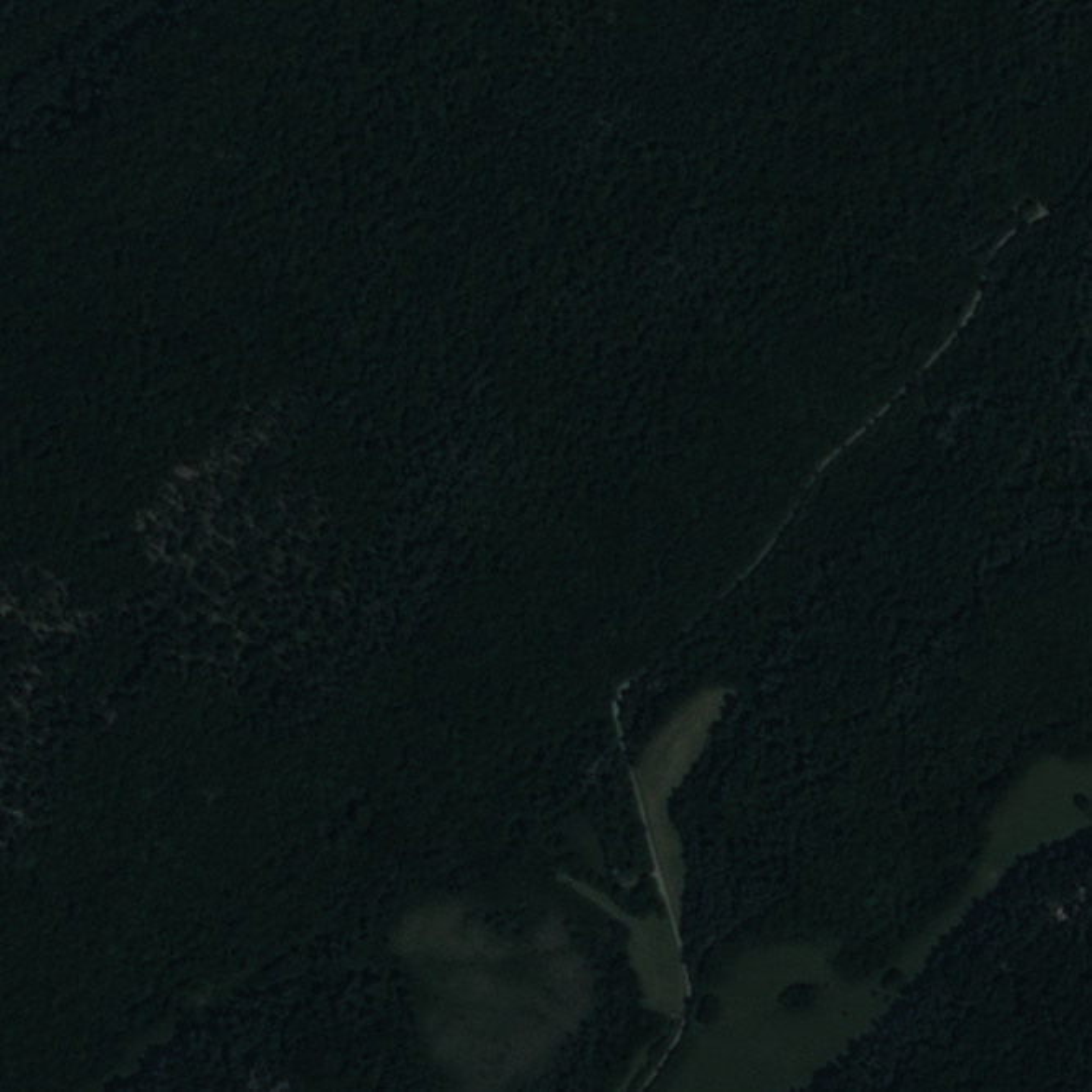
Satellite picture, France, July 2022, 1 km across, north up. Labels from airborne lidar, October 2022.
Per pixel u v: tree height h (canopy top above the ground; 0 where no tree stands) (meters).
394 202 21
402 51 20
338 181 8
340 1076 15
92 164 19
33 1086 19
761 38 14
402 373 15
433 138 21
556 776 27
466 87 21
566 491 16
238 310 20
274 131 15
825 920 11
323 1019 22
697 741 0
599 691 16
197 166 10
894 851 19
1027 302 16
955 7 16
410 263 22
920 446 16
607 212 11
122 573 19
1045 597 15
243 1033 19
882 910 12
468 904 0
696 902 19
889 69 19
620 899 15
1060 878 34
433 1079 7
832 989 0
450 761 16
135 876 16
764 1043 0
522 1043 0
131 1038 17
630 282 23
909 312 17
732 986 0
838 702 21
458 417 17
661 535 19
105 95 30
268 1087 18
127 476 22
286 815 14
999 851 0
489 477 12
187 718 18
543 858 8
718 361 22
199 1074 23
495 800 19
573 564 17
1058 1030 30
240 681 24
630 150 19
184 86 22
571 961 0
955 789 18
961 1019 26
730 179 14
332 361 15
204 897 18
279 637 14
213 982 22
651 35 12
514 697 22
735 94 17
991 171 22
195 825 14
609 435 17
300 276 20
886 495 18
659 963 0
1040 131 16
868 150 15
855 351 13
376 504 18
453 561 16
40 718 20
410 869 21
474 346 14
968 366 12
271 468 21
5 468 19
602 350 22
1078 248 12
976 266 21
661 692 7
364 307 22
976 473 14
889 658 6
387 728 16
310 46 14
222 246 20
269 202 15
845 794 18
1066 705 17
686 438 19
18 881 23
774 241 18
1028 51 15
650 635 12
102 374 19
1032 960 34
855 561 21
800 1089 0
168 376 24
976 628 17
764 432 10
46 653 23
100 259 20
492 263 15
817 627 18
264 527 23
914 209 21
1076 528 26
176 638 20
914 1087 35
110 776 19
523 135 19
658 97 14
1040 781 0
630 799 17
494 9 16
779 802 9
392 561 18
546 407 15
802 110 14
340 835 20
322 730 17
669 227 7
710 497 17
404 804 21
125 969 17
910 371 13
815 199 21
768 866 19
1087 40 18
